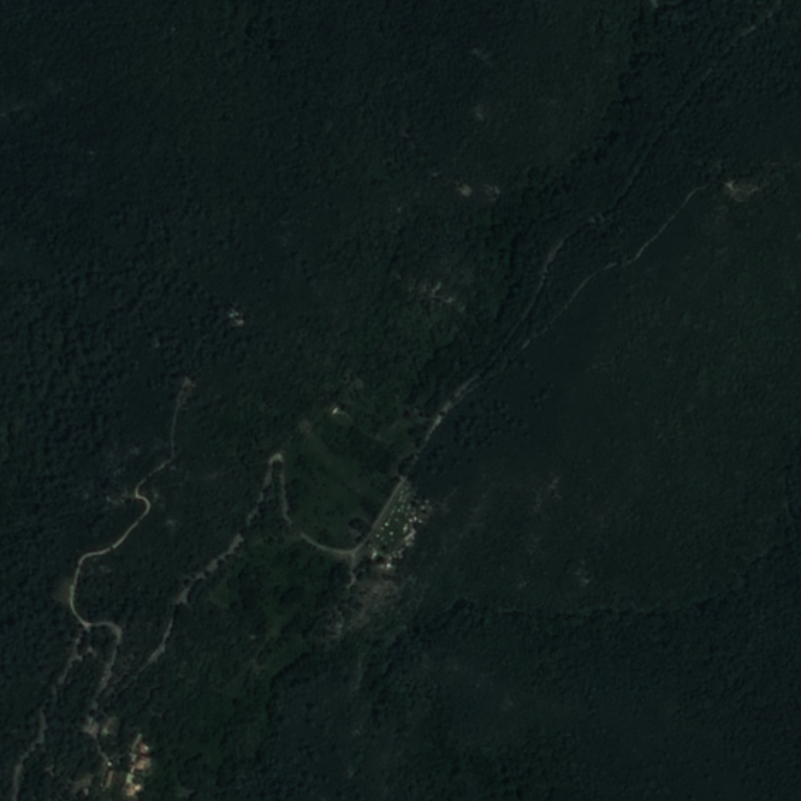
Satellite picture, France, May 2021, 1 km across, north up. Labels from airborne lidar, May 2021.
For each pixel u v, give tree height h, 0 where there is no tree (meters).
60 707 17
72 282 6
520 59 9
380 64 14
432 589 7
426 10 13
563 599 6
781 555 11
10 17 10
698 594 16
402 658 6
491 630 9
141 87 8
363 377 13
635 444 7
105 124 10
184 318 6
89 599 6
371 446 6
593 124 12
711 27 13
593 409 6
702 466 6
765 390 9
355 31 10
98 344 22
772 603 15
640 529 6
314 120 10
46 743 6
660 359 6
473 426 14
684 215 5
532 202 26
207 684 12
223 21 13
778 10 10
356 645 14
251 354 5
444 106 10
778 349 11
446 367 23
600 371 7
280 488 12
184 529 10
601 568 13
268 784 9
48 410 18
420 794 9
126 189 7
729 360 7
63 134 11
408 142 19
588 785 9
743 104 6
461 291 10
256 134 20
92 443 17
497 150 10
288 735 6
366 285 7
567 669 8
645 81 17
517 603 10
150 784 7
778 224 6
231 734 12
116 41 13
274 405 15
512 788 18
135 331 15
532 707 8
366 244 12
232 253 6
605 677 7
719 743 6
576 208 14
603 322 8
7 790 21
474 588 6
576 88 7
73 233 12
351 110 9
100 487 6
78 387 7
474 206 7
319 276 6
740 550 12
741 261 7
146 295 17
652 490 6
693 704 17
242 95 19
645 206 11
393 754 6
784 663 12
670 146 12
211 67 13
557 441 6
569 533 6
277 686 18
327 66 9
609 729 9
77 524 6
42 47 9
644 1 14
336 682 8
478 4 11
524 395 6
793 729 14
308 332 7
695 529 11
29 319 10
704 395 10
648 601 14
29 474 7
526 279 15
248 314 9
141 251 16
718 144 8
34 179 15
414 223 13
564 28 9
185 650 6
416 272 9
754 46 7
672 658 16
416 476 9
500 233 23
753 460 9
